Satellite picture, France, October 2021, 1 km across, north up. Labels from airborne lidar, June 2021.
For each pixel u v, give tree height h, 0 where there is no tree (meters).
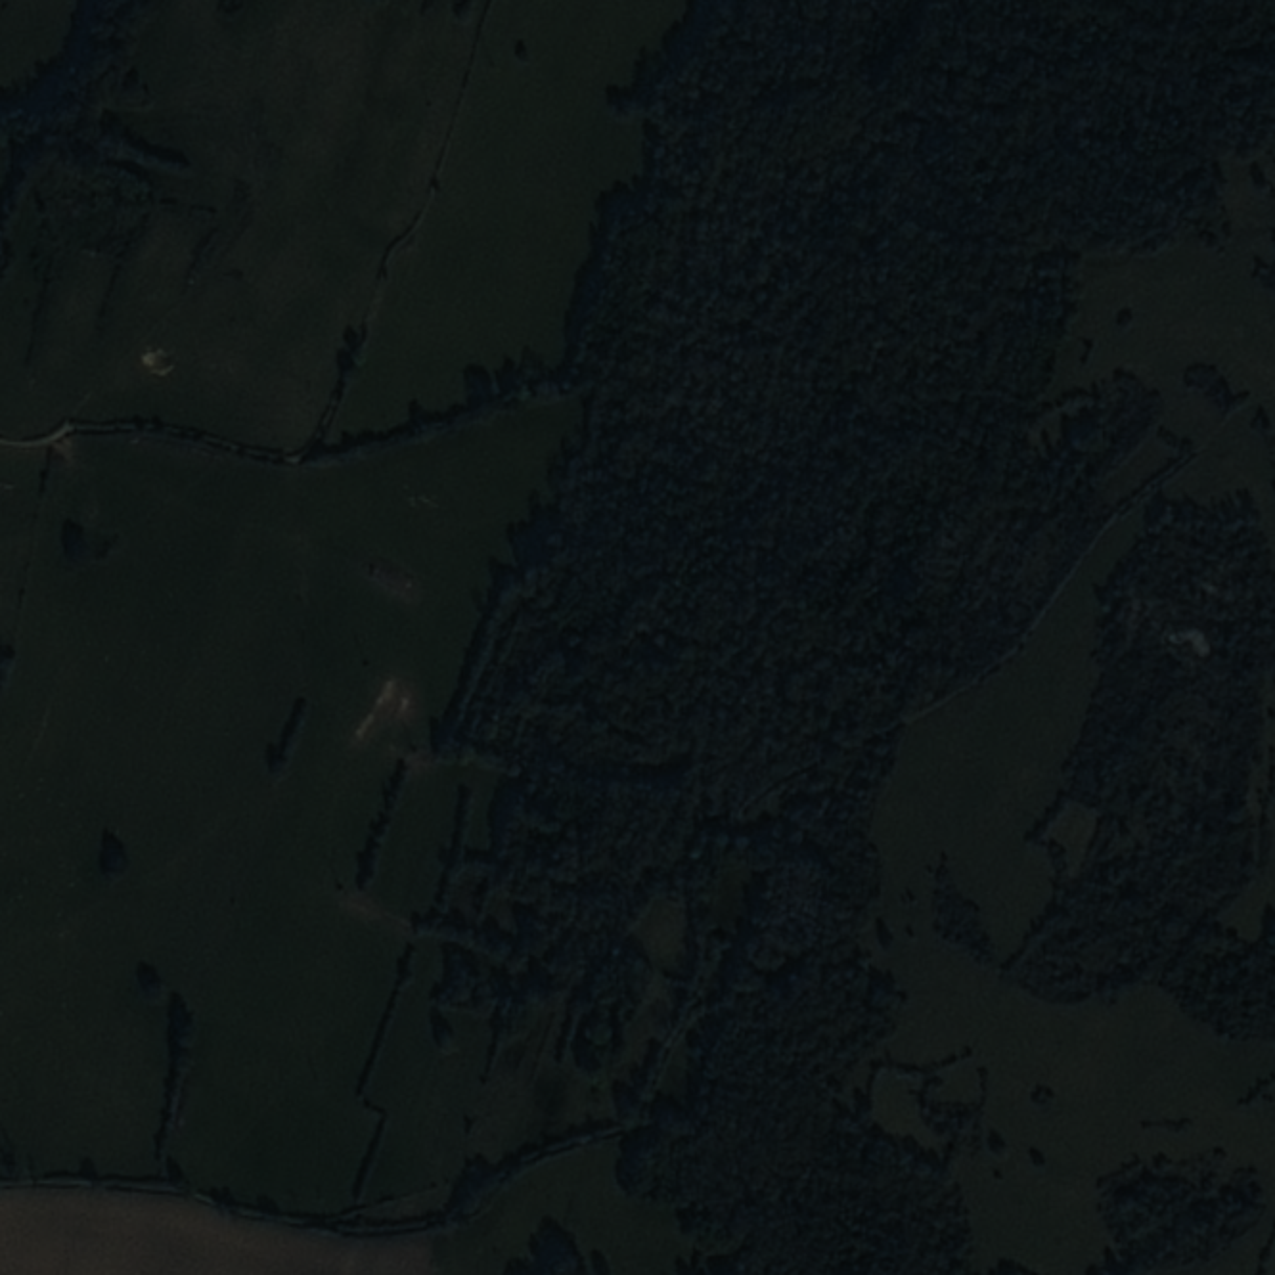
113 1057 0
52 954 0
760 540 18
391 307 0
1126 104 20
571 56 0
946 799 0
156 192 12
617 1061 9
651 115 14
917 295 17
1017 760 0
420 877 0
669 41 0
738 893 0
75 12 0
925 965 0
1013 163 22
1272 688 0
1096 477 8
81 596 0
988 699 0
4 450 0
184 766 0
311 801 0
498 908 0
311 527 0
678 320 10
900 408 9
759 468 10
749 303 8
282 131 0
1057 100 22
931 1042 0
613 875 9
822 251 16
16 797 0
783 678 11
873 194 15
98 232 0
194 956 0
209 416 0
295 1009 0
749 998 12
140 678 0
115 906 0
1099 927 6
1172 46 20
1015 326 16
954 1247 13
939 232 21
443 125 0
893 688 10
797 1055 14
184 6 0
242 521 0
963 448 12
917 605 22
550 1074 0
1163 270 0
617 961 13
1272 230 0
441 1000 6
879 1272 19
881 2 13
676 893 14
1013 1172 0
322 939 0
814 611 16
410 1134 0
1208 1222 13
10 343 0
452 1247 0
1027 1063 0
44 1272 0
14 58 0
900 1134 0
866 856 9
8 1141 0
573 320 0
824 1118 16
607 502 15
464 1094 0
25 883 0
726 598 16
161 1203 0
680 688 12
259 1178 0
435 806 0
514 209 0
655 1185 17
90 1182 12
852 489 20
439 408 0
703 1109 19
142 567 0
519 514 0
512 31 0
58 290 0
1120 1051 0
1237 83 16
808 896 26
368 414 0
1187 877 7
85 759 0
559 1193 0
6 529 0
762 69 18
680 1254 0
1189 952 15
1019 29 21
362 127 0
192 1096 0
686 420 7
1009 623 8
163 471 0
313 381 0
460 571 0
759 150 8
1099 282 0
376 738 0
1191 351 0
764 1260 17
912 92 23
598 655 15
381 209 0
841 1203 14
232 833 0
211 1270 0
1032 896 0
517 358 0
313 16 0
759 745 10
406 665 0
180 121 0
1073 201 25
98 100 24
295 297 0
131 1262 0
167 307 0
